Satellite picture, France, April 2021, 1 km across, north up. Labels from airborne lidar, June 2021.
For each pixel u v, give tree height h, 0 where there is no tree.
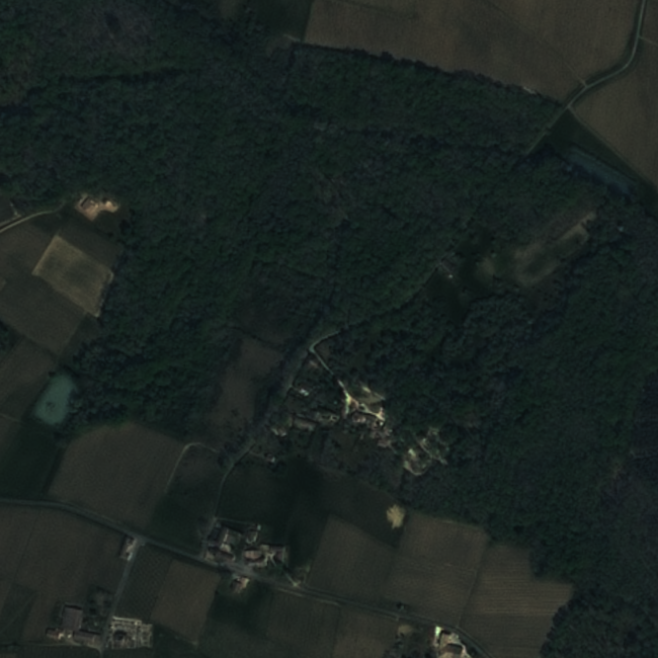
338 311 24
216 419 0
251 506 0
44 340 0
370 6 0
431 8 0
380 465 11
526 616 0
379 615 0
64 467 0
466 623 0
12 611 0
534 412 22
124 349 31
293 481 0
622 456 24
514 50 0
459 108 20
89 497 0
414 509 13
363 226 18
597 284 25
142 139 26
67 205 13
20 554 0
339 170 20
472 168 28
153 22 20
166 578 0
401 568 0
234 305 9
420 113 17
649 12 0
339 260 13
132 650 0
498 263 0
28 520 0
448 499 23
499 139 22
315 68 20
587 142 0
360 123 26
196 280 24
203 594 0
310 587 0
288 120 33
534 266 0
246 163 25
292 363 19
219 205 28
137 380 22
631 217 17
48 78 21
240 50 24
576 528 23
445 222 19
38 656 0
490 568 0
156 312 21
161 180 20
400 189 22
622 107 0
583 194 25
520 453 27
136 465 0
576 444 21
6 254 0
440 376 16
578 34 0
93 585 0
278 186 31
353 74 22
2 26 18
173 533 0
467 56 0
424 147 21
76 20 19
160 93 23
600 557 25
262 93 26
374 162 23
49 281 0
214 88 26
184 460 0
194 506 0
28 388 0
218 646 0
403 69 17
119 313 24
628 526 15
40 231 0
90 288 0
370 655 0
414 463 16
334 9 0
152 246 22
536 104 17
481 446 20
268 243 17
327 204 19
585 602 10
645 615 22
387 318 20
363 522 0
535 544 17
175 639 0
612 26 0
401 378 20
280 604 0
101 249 0
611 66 0
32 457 0
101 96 22
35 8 14
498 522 25
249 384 0
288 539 0
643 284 25
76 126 23
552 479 19
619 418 24
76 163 27
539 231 22
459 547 0
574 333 19
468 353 17
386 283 28
